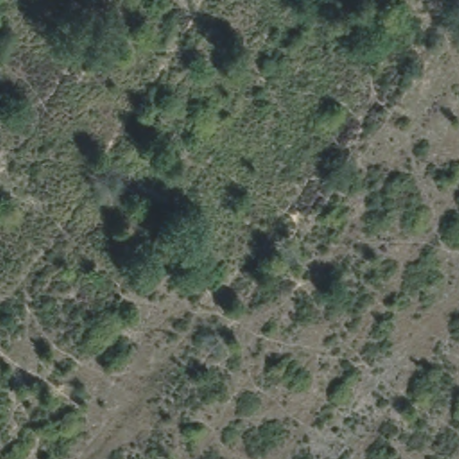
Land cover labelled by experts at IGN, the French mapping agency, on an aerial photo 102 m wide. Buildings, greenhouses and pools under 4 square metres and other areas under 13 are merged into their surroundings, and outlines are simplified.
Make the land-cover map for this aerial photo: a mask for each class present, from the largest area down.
<instances>
[{"label":"brushwood","instance_id":"1","mask_svg":"<svg viewBox=\"0 0 459 459\"><path fill-rule=\"evenodd\" d=\"M65 0H0V109L4 108L5 100L9 97L29 100L34 108V120L23 127L20 133H11L0 122V346L2 350H11V346L7 344V335L29 337L39 359L47 360L48 364L54 366V371L48 378L52 384H56L52 391H48L41 378L32 377L23 369L11 368L4 359H0V459H63L70 450V445H75L79 437H88V432H84L86 391L79 378H74L70 385H59V378L65 375L66 371H70L79 359L93 357L100 368L109 369L117 357H129L133 344L122 333L136 319V308L133 303L122 298L131 290L138 280L147 274V264L154 256V242L163 235H169L170 231H178L179 221L186 219L188 213L194 212L197 222L210 235L217 265L226 267V287H219L212 292L213 301L228 314L237 307V294L240 290L247 289L253 281L264 283L265 267L273 260L289 265L287 274H283V280L294 283L299 278L312 281L314 292L307 294L299 290L298 296L294 298V312L289 316L290 323L285 326L287 332H292L299 325L325 323L326 319L344 312L351 316L346 328L355 330L360 323V310L373 301L371 294L366 292V287L371 283L373 287H378L380 280H387L394 273L396 260L389 258L387 249L394 246V240L402 238L400 229L416 226L420 213L425 212L429 206H425L421 201L420 190L411 174L389 170L382 163H373L366 169H357L355 156L348 154L346 142L368 138L369 134L384 124V111L393 108L403 90L411 86L414 77L423 75V65L416 61V54L412 52V48L416 45L436 47L437 41L441 39L437 36V29L441 27L445 16L443 0H389L387 7L391 11L400 5H409L411 27L394 38L396 48L389 56H385L384 63H359L346 59V54L350 50L339 45L337 38L342 36V25L339 23L341 20L348 18L350 14L359 16L360 13H364L362 0H326L325 4L319 7L317 22L305 29V25L294 22L296 13L290 7H281L280 0H108L109 9L118 18L115 22V32L129 30L131 38L127 39L129 59L124 61L126 68L118 66L111 74L102 75L93 74L91 70L75 72L72 68L54 63L57 50L48 47L45 36L50 16L56 11L57 5ZM339 278L348 285V299L344 305L325 307L323 296L332 292L333 283ZM457 206L452 210L457 221L448 233H441L446 246L459 249V197L455 199ZM443 274L439 273V258L436 251L423 246L418 258L405 264L400 289L393 292L394 305L385 307L387 314L394 316L402 308L409 307L411 296H418L420 299V307L414 312L418 316H423L425 310L432 307V303L436 301L432 294L427 292L432 283L441 280ZM450 337L454 341H459V310L450 312L448 319ZM391 319L380 325L378 332L369 330L373 337H377V342H366L360 350L368 364L391 357ZM281 357L280 364L271 371L264 369L265 389L283 384L294 393L307 391L310 387V373L307 369L299 368L298 362L292 360L290 353H278ZM416 402H429V411L432 414H441L443 407L457 412L459 407V366H454L450 360L446 364H432L429 377L421 378L416 387ZM174 384H178V387L174 389V402L165 400V403L172 411L179 409V423L188 421L185 416L186 407L199 411L213 400H226L224 384L229 380L228 375H224L219 368H208L203 377L197 380H190L185 369H176ZM360 373L357 371L353 377L346 380V384L337 389L333 396V405L342 407L351 402L353 391L348 384L359 382ZM403 416L407 418L409 425H414L412 434L398 429L393 420L382 421L378 425L377 439L366 448V459H400L391 446V437L400 439L411 452L421 450L427 441L432 445V454L427 455L425 459H459V437L450 434L446 429H441L436 437L427 436L421 429L427 421L421 420L416 412H405ZM289 436V430L281 429L278 420H264L260 427H249L242 434L247 457H262L274 446L283 445V439ZM181 436L185 437V448L190 459H224L217 450H206L203 455L197 454L194 450V434L183 432Z\"/></svg>","mask_w":459,"mask_h":459},{"label":"herbaceous vegetation","instance_id":"2","mask_svg":"<svg viewBox=\"0 0 459 459\"><path fill-rule=\"evenodd\" d=\"M437 36L441 39L437 41L436 47L416 45L412 48V52L416 54V61L423 65V75L414 77L411 86L403 90L393 108L384 111V124L369 134L368 138L346 142L348 154L355 156L357 169H366L373 163H382L389 170L411 174L420 190L421 201L425 206H429L425 212L420 213L416 226L400 229L402 238L394 240V246L387 249L389 258L396 260L394 273L387 280H380L378 287H373L371 283L366 287V292L371 294L373 301L360 310V323L355 330L346 328L351 316L344 312L326 319L325 323L299 325L292 332H287L285 326L290 323L289 316L294 312V298L298 296L299 290L307 294L314 292L312 281L299 278L274 303H265L253 310V314L249 316L235 319L228 314L213 301L212 292L206 290L186 296L178 294L176 290H170L167 281H161L158 289L149 292L145 298L131 290L122 298L133 303L136 308V319L122 333L133 344L129 357H117L109 369L100 368L93 357L79 359L70 371H66L65 375L59 378V385H70L74 378H79L86 391L84 432H88V437H79L75 445H70V450L63 459H190L185 448V437L181 436L183 432L194 434V450L197 454L203 455L206 450H217L224 459H366V448L377 439L378 425L382 421L393 420L398 429L412 434L414 425H409L407 418L403 416L405 412H416L421 420L427 421L421 429L427 436L436 437L441 429H446L450 434L459 437V407L457 412L443 407L441 414H432L429 411V402H416V387L421 378L429 377L432 364H446L450 360L454 366H459V341H454L450 337L448 319L450 312L459 310V249L446 246L441 233H448L457 221L452 210L457 206L455 199L459 197V43L452 45L450 30L441 27L437 29ZM423 246L436 251L439 258V273L443 274L441 280L432 283L427 292L432 294L436 301L432 303V307L425 310L423 316H418L414 312L420 307V299L418 296H411L409 307L402 308L394 316L387 314L385 307L394 305L393 292L400 289L405 264L418 258ZM391 319V357L368 364L360 350L366 342H377V337H373L369 330L378 332L380 325ZM278 353H290L292 360L298 362L299 368L307 369L310 373V387L307 391L294 393L283 384L265 389L264 369L271 371L280 364L281 357ZM208 368H219L224 375H228L229 380L224 384L226 400H213L199 411L186 407L185 416L188 421L179 423V409L172 411L165 403V400L174 402V389L178 387V384H174L176 369H185L190 380H197L203 377ZM357 371L360 373L359 382L348 384L353 391L351 402L342 407L333 405V396L337 389L346 384V380L353 377ZM264 420H278L281 429L289 430V436L283 439V445L274 446L262 457H247L242 434L249 427H260ZM7 344L11 346V350H2L0 346V359H4L11 368L23 369L32 377L41 378L48 391H52L56 384H52L48 378L54 371V366L48 364L47 360L39 359L29 337L7 335ZM391 446L400 459H425L427 455L432 454V445L427 441L421 450L411 452L400 439L391 437Z\"/></svg>","mask_w":459,"mask_h":459},{"label":"deciduous trees","instance_id":"3","mask_svg":"<svg viewBox=\"0 0 459 459\"><path fill-rule=\"evenodd\" d=\"M389 0H362L364 13H360L359 16L350 14L348 18L341 20L339 23L342 25V36L337 38L339 45L350 50L346 54V59L359 63H384L385 56H389L396 48L394 38L411 27L409 5H400L391 11L387 7ZM34 120V108L29 100L9 97L5 100L4 108L0 109V122L11 133H20L23 127ZM154 256L147 264V274L138 280L131 290L145 298L149 292L158 289L161 281H167L170 290H176L178 294L186 296L206 290L212 292L219 287H226V267L217 265L210 235L197 222L194 212L188 213L186 219L179 221L178 231H170L169 235H163L154 242ZM289 265L273 260L265 267L264 283L253 281L247 289L240 290L237 294V307L228 314L235 319L249 316L253 314V310L265 303H274L294 283L283 280V274H287ZM348 299V285L339 278L333 283L332 292L323 296L325 307L344 305Z\"/></svg>","mask_w":459,"mask_h":459},{"label":"coniferous trees","instance_id":"4","mask_svg":"<svg viewBox=\"0 0 459 459\"><path fill-rule=\"evenodd\" d=\"M118 18L109 9L108 0H65L57 5L56 11L50 16L45 36L48 47L57 50L54 63L72 68L75 72L91 70L93 74L102 75L111 74L118 66L126 68L124 61L129 59L127 39L131 38L129 30L115 32V22ZM326 0H280L281 7H290L296 13L294 22L305 25V29L317 22L319 7L325 4ZM445 16L441 27L450 30L452 45L459 43V0H443Z\"/></svg>","mask_w":459,"mask_h":459}]
</instances>
